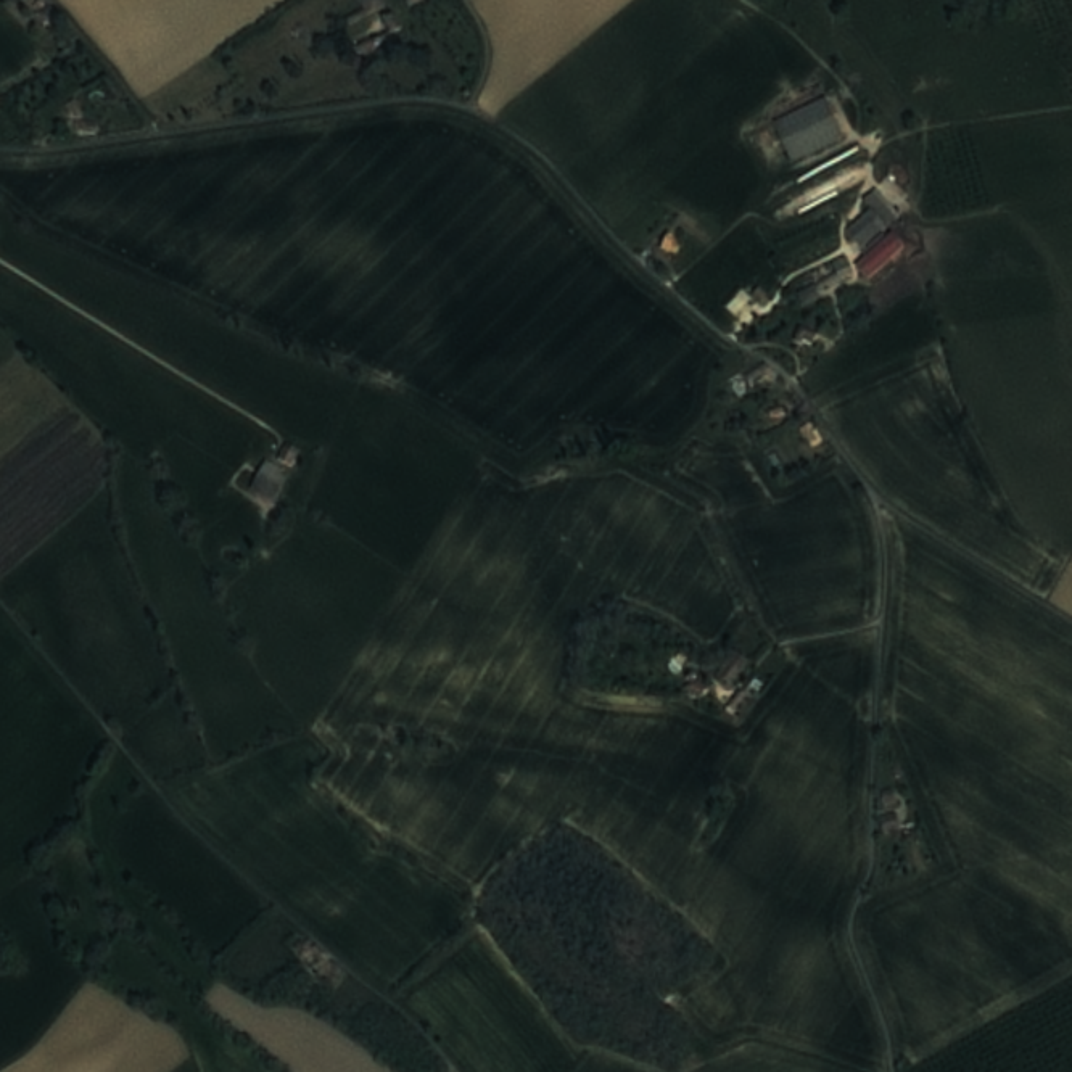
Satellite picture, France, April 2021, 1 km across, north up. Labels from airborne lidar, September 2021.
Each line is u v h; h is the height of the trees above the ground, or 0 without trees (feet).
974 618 0
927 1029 0
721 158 0
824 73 0
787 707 0
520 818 0
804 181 0
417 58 52
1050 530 0
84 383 0
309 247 0
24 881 0
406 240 0
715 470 0
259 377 0
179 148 0
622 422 0
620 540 0
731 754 0
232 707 0
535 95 0
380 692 0
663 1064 54
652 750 0
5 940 65
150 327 0
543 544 0
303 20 0
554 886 44
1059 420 0
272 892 0
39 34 39
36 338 0
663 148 0
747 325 19
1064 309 0
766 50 0
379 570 0
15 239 0
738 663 0
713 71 0
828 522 0
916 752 0
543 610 0
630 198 0
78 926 0
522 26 0
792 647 0
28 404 0
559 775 0
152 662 0
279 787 0
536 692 0
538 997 19
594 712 0
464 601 0
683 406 0
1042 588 0
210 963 45
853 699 0
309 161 0
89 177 0
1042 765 0
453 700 0
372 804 0
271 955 0
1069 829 0
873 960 0
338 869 0
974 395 0
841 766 0
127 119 0
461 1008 0
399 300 0
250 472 0
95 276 0
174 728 0
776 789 0
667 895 0
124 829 0
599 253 0
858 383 0
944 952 0
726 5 0
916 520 0
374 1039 28
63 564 0
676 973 44
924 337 0
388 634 0
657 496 0
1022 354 0
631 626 30
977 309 0
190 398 0
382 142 0
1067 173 0
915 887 0
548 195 0
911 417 0
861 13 0
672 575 0
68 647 0
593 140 0
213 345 0
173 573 0
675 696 26
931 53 0
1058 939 0
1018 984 0
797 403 42
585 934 33
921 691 0
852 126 0
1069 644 0
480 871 0
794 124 0
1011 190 0
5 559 0
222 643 0
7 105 30
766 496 0
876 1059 0
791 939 0
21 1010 0
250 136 0
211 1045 0
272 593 0
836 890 0
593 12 0
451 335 0
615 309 0
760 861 0
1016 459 0
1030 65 0
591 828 0
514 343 0
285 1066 39
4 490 0
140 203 0
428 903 0
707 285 0
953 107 0
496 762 0
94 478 0
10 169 0
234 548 0
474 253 0
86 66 28
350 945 0
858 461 0
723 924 0
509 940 19
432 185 0
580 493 0
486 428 0
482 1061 0
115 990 44
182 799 0
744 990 0
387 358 0
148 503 0
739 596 0
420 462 0
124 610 0
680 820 0
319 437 0
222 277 0
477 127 0
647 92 0
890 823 0
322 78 0
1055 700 0
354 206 0
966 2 36
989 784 0
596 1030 55
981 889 0
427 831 0
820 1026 0
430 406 0
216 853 0
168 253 0
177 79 0
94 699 0
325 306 0
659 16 0
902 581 0
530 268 0
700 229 0
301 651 0
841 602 0
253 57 0
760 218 0
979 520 0
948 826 0
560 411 0
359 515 0
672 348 0
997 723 0
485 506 0
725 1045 0
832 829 0
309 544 0
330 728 0
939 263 0
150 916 0
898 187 0
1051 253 0
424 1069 22
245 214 0
